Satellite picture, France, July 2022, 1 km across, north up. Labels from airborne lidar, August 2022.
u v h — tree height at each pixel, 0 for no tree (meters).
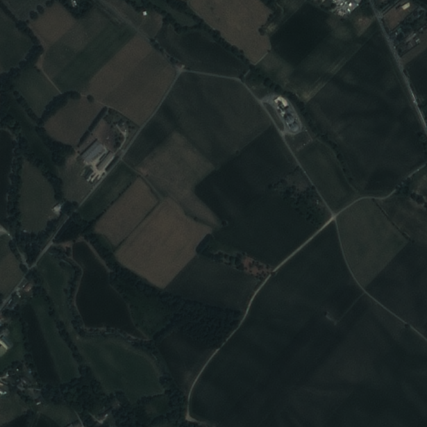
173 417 16
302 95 0
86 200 0
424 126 0
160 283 0
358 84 0
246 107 0
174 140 0
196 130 0
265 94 0
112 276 15
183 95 0
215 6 0
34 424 0
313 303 0
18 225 23
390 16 0
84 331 16
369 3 7
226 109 0
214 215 0
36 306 0
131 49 0
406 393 0
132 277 10
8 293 0
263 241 0
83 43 0
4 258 0
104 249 17
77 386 11
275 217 0
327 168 0
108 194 0
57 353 0
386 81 0
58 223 13
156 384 0
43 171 17
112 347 0
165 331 18
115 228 0
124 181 0
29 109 13
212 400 0
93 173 0
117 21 0
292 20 0
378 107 0
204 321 26
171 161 0
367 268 0
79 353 9
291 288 0
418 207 0
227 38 0
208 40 0
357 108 0
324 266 0
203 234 0
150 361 0
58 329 13
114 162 9
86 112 0
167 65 0
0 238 0
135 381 0
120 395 21
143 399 16
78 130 0
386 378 0
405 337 0
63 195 9
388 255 0
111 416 0
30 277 15
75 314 9
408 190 15
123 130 0
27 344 15
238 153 6
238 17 0
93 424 21
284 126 0
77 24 0
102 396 23
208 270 0
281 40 0
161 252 0
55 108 19
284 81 0
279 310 0
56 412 0
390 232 0
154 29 0
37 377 8
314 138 0
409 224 0
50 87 0
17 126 25
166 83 0
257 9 0
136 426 24
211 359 0
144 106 0
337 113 0
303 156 0
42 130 19
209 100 0
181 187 0
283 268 0
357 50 0
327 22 0
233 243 0
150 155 0
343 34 0
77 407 22
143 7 8
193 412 0
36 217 0
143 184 0
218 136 0
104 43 0
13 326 0
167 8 0
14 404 0
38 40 18
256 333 0
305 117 10
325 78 0
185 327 22
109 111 8
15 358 0
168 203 0
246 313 0
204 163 0
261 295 0
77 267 12
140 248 0
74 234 13
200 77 0
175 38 0
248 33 0
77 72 0
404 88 0
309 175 0
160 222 0
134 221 0
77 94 13
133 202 0
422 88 0
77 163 0
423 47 0
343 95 0
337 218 0
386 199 0
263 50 0
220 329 24
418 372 0
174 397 18
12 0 0
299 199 10
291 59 0
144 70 0
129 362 0
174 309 21
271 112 0
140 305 0
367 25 0
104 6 0
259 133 0
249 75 0
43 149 0
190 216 0
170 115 0
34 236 18
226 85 0
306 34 0
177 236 0
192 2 0
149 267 0
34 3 0
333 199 0
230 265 7
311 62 0
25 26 14
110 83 0
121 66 0
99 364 0
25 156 20
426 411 0
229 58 0
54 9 0
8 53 0
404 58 0
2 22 0
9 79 23
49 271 0
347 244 0
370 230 0
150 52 0
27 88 0
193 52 0
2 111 21
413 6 0
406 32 20
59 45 0
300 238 0
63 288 0
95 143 0
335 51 0
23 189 0
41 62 0
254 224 0
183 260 0
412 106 0
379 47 0
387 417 0
